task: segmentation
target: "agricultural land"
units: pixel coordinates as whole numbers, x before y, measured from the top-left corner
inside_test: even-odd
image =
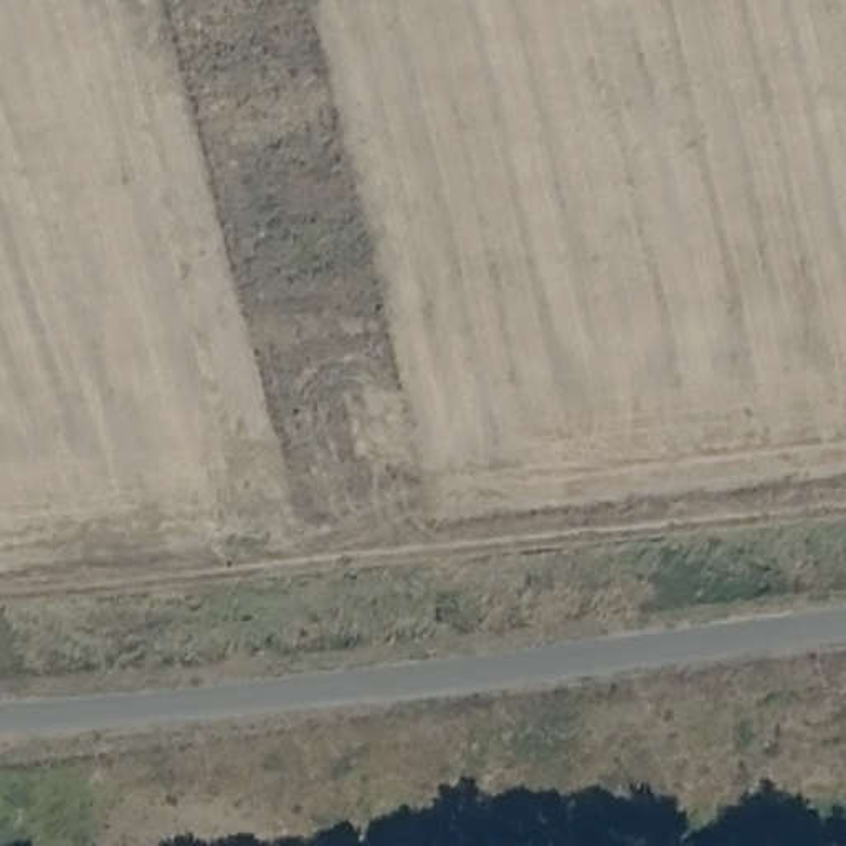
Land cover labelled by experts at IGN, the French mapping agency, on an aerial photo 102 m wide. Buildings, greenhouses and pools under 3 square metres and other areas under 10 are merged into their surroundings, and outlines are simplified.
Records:
[[[377,245],[377,271],[390,284],[390,334],[403,387],[413,393],[413,406],[420,416],[416,430],[423,469],[456,463],[456,476],[440,479],[443,489],[502,489],[512,492],[512,499],[522,509],[542,509],[615,502],[628,496],[664,496],[684,489],[737,489],[783,476],[820,479],[846,473],[846,0],[317,0],[317,30],[337,89],[344,149],[350,152],[354,169],[360,175],[357,192]]]
[[[208,549],[215,555],[225,555],[228,535],[271,539],[271,549],[291,549],[294,542],[311,542],[330,532],[327,522],[304,522],[291,509],[281,443],[264,410],[261,377],[254,367],[254,354],[248,347],[245,317],[228,274],[221,228],[215,221],[215,205],[208,195],[198,142],[188,122],[178,66],[172,59],[172,50],[159,40],[159,0],[0,0],[0,572],[73,558],[145,558],[178,549]]]

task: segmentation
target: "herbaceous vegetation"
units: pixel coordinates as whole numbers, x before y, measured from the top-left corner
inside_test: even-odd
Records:
[[[0,730],[0,846],[846,846],[846,638],[783,644],[770,658],[717,661],[704,668],[648,671],[641,664],[615,664],[555,677],[499,681],[486,687],[443,687],[390,697],[344,697],[254,711],[178,714],[126,724]]]
[[[198,142],[208,195],[215,205],[215,221],[221,228],[228,274],[245,317],[248,347],[254,354],[254,367],[261,377],[264,410],[281,443],[291,509],[304,522],[327,522],[330,532],[311,542],[294,542],[291,549],[271,549],[271,539],[228,535],[225,555],[215,555],[208,549],[178,549],[145,558],[73,558],[0,572],[0,704],[106,701],[182,691],[192,694],[231,684],[271,684],[301,677],[367,674],[387,668],[453,664],[496,654],[585,648],[664,631],[697,631],[740,621],[846,611],[846,473],[820,479],[783,476],[737,489],[684,489],[664,496],[628,496],[615,502],[542,509],[522,509],[512,499],[512,492],[502,489],[443,489],[440,479],[456,476],[456,463],[423,469],[416,430],[420,416],[413,406],[413,393],[403,387],[390,334],[390,284],[377,271],[377,245],[357,192],[360,175],[354,169],[350,152],[344,149],[337,89],[317,30],[317,0],[159,0],[159,40],[172,50],[172,59],[178,66],[188,122]]]

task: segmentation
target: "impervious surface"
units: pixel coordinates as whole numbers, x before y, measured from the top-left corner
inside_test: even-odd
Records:
[[[387,668],[367,674],[301,677],[271,684],[231,684],[192,694],[182,691],[106,701],[0,704],[0,730],[126,724],[178,714],[254,711],[344,697],[390,697],[443,687],[486,687],[499,681],[555,677],[615,664],[641,664],[648,671],[704,668],[717,661],[770,658],[783,644],[846,638],[846,611],[740,621],[697,631],[664,631],[585,648],[496,654],[453,664]]]

